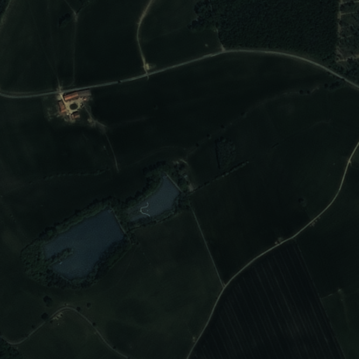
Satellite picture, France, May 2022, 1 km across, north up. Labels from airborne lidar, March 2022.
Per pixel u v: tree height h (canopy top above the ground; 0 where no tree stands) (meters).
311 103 0
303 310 0
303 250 0
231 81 0
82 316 0
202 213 0
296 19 19
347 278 0
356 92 0
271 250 0
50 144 0
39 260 11
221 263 0
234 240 0
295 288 0
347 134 0
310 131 0
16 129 0
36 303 0
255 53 0
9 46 0
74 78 0
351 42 18
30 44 0
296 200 0
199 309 0
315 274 0
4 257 0
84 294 0
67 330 0
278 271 0
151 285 0
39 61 0
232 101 0
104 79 0
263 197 0
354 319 0
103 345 0
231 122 0
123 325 0
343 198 0
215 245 0
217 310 0
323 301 0
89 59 0
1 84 0
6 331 0
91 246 0
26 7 0
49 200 0
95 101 0
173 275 0
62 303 0
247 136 0
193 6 0
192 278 0
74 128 0
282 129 0
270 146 0
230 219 0
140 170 0
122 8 0
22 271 0
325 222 0
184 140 0
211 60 0
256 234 0
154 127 0
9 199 0
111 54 0
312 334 0
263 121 0
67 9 0
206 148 0
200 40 0
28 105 0
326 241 0
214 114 0
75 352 0
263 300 0
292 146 0
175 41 0
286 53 0
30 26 0
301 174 0
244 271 0
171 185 0
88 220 0
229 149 18
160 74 0
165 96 0
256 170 0
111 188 0
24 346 0
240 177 0
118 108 0
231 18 17
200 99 0
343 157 0
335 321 0
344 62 0
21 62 0
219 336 0
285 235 0
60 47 0
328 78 0
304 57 0
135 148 0
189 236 0
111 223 0
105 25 0
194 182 0
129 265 0
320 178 0
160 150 0
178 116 0
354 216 0
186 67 0
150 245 0
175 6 0
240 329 0
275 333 0
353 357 0
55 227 15
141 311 0
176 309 0
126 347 0
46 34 0
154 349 0
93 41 0
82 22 0
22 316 0
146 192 18
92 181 0
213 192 0
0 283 0
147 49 0
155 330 0
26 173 0
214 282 0
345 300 0
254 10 16
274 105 0
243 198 0
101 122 0
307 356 0
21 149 0
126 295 0
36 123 0
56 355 0
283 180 0
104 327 0
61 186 0
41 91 0
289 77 0
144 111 0
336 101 0
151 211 0
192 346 0
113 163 0
